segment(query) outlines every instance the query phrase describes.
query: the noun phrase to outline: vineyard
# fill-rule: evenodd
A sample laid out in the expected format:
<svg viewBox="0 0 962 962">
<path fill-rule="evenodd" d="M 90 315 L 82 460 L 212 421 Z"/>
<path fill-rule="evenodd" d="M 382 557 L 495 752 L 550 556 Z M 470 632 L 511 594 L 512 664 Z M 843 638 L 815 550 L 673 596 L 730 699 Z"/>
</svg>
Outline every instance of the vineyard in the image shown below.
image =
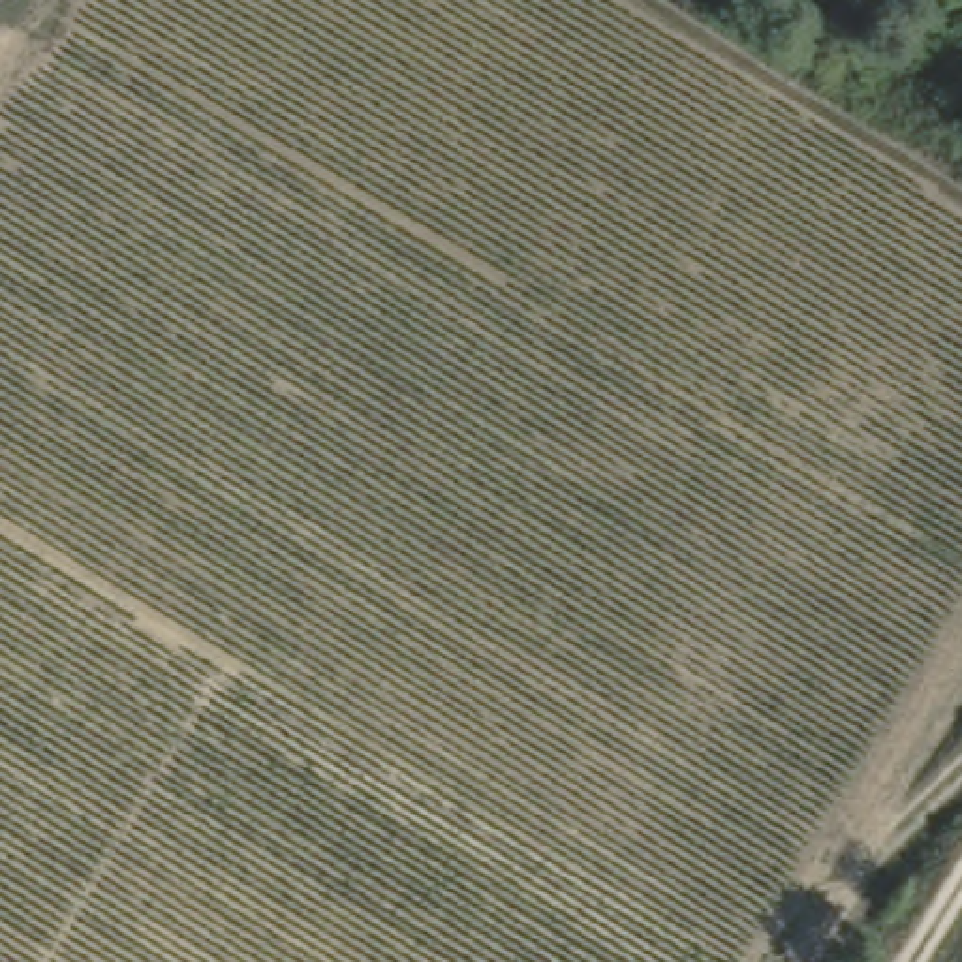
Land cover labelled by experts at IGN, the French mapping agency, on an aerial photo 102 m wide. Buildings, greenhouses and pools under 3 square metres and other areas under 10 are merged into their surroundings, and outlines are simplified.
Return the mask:
<svg viewBox="0 0 962 962">
<path fill-rule="evenodd" d="M 932 154 L 861 120 L 857 113 L 842 109 L 842 101 L 834 101 L 830 94 L 808 90 L 797 75 L 785 75 L 774 64 L 767 64 L 737 34 L 714 26 L 710 19 L 729 0 L 94 0 L 79 11 L 79 23 L 98 30 L 101 45 L 68 45 L 49 64 L 49 71 L 34 75 L 30 86 L 0 101 L 0 962 L 782 962 L 770 947 L 770 936 L 759 928 L 759 917 L 778 909 L 778 898 L 785 891 L 800 887 L 797 853 L 808 846 L 815 819 L 834 804 L 842 785 L 853 782 L 853 770 L 868 755 L 872 740 L 891 729 L 891 706 L 921 676 L 939 624 L 951 620 L 954 601 L 962 597 L 962 180 L 954 180 L 951 169 L 939 165 Z"/>
</svg>

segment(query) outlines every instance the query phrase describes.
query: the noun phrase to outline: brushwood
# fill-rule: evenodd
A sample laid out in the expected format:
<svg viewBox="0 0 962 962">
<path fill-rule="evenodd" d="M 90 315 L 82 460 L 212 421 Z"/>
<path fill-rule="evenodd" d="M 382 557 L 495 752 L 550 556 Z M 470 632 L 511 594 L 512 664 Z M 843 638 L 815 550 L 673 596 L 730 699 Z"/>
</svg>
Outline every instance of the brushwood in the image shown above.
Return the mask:
<svg viewBox="0 0 962 962">
<path fill-rule="evenodd" d="M 714 26 L 737 34 L 767 64 L 774 64 L 785 75 L 797 75 L 808 90 L 830 94 L 834 101 L 842 101 L 842 109 L 857 113 L 861 120 L 932 154 L 939 165 L 951 169 L 954 180 L 962 180 L 962 0 L 729 0 L 710 19 Z"/>
<path fill-rule="evenodd" d="M 924 785 L 962 748 L 962 706 L 954 710 L 951 729 L 928 752 L 928 759 L 917 767 L 909 782 Z"/>
</svg>

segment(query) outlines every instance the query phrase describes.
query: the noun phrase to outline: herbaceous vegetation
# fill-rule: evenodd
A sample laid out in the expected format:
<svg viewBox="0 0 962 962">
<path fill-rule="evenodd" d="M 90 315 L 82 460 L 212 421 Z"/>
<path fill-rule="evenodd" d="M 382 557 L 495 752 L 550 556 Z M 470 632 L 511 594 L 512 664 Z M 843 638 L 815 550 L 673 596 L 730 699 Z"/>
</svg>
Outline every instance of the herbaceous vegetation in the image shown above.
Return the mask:
<svg viewBox="0 0 962 962">
<path fill-rule="evenodd" d="M 868 872 L 868 879 L 857 887 L 864 909 L 868 921 L 879 921 L 913 876 L 928 876 L 939 887 L 962 853 L 962 789 L 943 808 L 936 808 L 928 823 L 891 861 Z"/>
<path fill-rule="evenodd" d="M 94 0 L 0 0 L 0 101 L 30 86 L 34 75 L 49 71 L 49 64 L 68 45 L 101 45 L 98 30 L 79 23 L 79 11 Z"/>
<path fill-rule="evenodd" d="M 909 782 L 917 767 L 928 759 L 928 752 L 951 729 L 954 710 L 962 706 L 962 597 L 954 601 L 951 620 L 939 624 L 921 676 L 891 706 L 891 729 L 872 740 L 868 755 L 853 770 L 853 782 L 842 785 L 834 804 L 815 819 L 808 846 L 797 853 L 800 887 L 785 891 L 778 898 L 778 909 L 759 917 L 759 928 L 770 936 L 770 947 L 782 962 L 864 962 L 864 936 L 853 921 L 846 921 L 842 909 L 827 902 L 819 891 L 812 891 L 812 883 L 834 872 L 838 853 L 857 842 L 864 819 L 872 819 L 883 808 L 902 808 Z"/>
</svg>

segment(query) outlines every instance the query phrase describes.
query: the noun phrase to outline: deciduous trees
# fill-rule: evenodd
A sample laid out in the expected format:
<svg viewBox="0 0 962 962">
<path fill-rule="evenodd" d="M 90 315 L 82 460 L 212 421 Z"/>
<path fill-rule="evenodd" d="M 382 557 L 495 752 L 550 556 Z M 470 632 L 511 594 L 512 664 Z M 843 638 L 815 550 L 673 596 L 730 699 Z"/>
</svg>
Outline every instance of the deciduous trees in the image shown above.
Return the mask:
<svg viewBox="0 0 962 962">
<path fill-rule="evenodd" d="M 939 887 L 928 876 L 913 876 L 879 921 L 868 921 L 864 909 L 853 921 L 864 936 L 864 962 L 894 962 L 906 936 L 913 932 L 913 924 L 921 921 Z"/>
</svg>

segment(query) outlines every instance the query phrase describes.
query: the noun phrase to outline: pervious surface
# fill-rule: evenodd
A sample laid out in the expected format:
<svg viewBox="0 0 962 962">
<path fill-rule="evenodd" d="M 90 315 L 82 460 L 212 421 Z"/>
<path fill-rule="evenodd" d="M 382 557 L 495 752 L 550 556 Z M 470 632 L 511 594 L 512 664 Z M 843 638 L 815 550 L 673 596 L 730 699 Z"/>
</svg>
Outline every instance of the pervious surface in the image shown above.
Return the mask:
<svg viewBox="0 0 962 962">
<path fill-rule="evenodd" d="M 921 921 L 913 924 L 913 932 L 906 936 L 894 962 L 962 962 L 962 853 L 939 887 Z"/>
<path fill-rule="evenodd" d="M 962 789 L 962 748 L 924 785 L 909 782 L 902 808 L 883 808 L 872 819 L 864 819 L 857 842 L 838 853 L 834 872 L 812 883 L 812 891 L 819 891 L 827 902 L 842 909 L 846 921 L 853 921 L 864 909 L 857 887 L 868 879 L 868 872 L 891 861 L 928 823 L 936 808 L 943 808 Z"/>
</svg>

